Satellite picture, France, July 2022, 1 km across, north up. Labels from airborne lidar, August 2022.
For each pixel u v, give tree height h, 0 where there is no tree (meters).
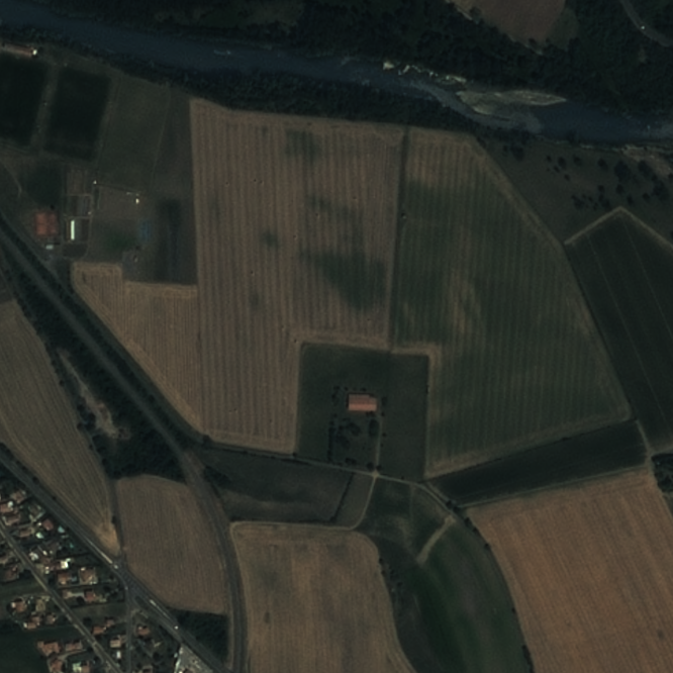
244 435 0
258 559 0
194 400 0
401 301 0
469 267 0
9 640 0
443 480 0
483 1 0
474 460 0
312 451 0
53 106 0
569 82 20
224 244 0
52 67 0
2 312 0
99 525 0
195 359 0
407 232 0
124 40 0
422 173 0
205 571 0
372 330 0
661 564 0
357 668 0
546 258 0
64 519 0
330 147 0
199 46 0
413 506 0
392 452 0
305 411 0
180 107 0
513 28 0
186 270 0
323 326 0
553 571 0
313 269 0
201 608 0
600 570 0
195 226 0
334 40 14
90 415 11
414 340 0
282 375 0
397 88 0
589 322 0
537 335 0
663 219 0
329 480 0
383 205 0
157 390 0
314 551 0
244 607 0
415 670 0
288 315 0
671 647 0
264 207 0
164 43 0
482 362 0
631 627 0
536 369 0
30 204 0
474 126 9
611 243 0
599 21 6
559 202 0
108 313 0
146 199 0
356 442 0
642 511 0
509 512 0
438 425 0
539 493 0
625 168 23
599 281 0
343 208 0
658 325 0
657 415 0
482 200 0
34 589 0
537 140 11
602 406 0
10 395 0
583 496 0
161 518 0
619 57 14
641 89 17
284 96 14
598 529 0
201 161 0
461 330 0
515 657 0
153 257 0
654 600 0
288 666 0
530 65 13
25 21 0
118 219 0
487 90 0
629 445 0
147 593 0
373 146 0
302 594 0
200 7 10
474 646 0
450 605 0
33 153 0
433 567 0
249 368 0
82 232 0
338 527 0
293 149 0
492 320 0
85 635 0
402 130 0
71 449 0
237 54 0
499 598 0
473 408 0
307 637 0
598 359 0
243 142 0
